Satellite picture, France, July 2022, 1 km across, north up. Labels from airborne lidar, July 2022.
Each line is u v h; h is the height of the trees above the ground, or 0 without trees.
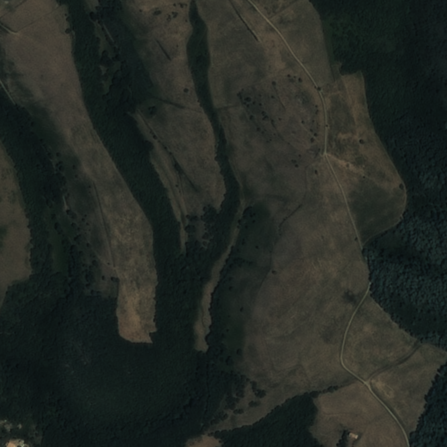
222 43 0
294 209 0
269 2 0
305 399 13
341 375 0
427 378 0
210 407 12
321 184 0
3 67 0
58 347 15
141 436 21
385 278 19
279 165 0
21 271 0
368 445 0
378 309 0
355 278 0
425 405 5
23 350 14
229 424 0
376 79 9
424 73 14
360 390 0
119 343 8
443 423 22
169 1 0
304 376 0
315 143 0
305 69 0
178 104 0
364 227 0
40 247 15
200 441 0
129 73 14
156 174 13
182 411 24
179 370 16
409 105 18
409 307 6
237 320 0
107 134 9
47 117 0
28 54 0
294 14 0
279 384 0
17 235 0
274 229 0
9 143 10
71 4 10
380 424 0
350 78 0
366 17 9
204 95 7
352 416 0
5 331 15
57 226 16
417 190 19
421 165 27
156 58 0
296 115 0
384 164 0
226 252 0
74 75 0
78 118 0
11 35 0
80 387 8
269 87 0
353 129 0
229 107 0
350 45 11
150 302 0
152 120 0
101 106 11
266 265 0
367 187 0
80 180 0
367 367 0
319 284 0
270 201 0
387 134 14
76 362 8
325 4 10
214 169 0
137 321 0
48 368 23
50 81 0
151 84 0
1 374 14
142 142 22
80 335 8
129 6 0
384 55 12
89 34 10
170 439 16
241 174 0
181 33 0
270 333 0
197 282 16
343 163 0
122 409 10
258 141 0
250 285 0
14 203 0
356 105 0
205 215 9
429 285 27
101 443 17
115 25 0
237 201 14
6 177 0
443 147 26
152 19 0
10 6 0
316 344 0
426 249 22
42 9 0
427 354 0
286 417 9
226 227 16
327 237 0
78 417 11
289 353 0
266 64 0
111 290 0
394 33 8
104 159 0
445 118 14
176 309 29
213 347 12
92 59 13
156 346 12
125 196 0
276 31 0
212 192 0
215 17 0
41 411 15
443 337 20
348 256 0
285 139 0
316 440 11
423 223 23
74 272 18
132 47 0
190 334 10
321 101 0
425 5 11
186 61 0
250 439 12
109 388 8
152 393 11
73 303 12
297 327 0
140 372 12
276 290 0
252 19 0
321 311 0
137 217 0
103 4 11
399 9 14
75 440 20
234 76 0
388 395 0
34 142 23
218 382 14
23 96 0
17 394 7
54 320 24
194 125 0
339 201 0
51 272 18
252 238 0
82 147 0
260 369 0
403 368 0
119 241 0
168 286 24
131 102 17
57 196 19
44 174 29
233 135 0
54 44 0
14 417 16
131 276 0
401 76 11
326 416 0
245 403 0
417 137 26
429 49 12
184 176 0
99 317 8
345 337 0
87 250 0
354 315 0
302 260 0
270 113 0
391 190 0
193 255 14
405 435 0
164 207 10
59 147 0
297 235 0
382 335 0
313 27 0
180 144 0
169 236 13
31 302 12
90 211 0
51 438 13
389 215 0
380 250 7
